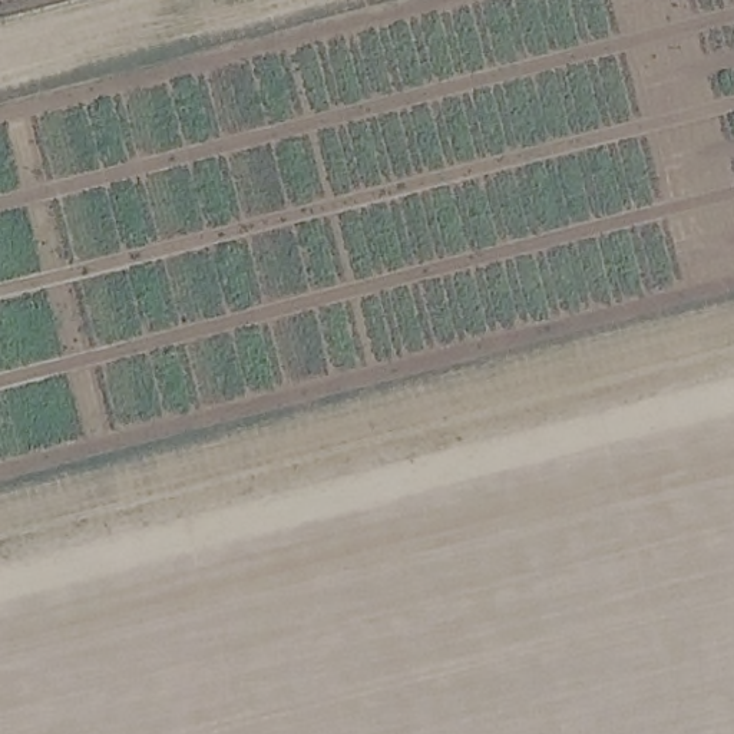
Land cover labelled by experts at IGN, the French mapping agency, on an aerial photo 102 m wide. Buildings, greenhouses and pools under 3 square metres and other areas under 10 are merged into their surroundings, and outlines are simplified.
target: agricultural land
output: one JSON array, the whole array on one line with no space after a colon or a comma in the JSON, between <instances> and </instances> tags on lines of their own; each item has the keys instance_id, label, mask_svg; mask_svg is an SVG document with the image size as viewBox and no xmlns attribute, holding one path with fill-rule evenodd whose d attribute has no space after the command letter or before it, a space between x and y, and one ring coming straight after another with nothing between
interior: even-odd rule
<instances>
[{"instance_id":1,"label":"agricultural land","mask_svg":"<svg viewBox=\"0 0 734 734\"><path fill-rule=\"evenodd\" d=\"M0 0L0 734L734 734L734 0Z\"/></svg>"}]
</instances>

